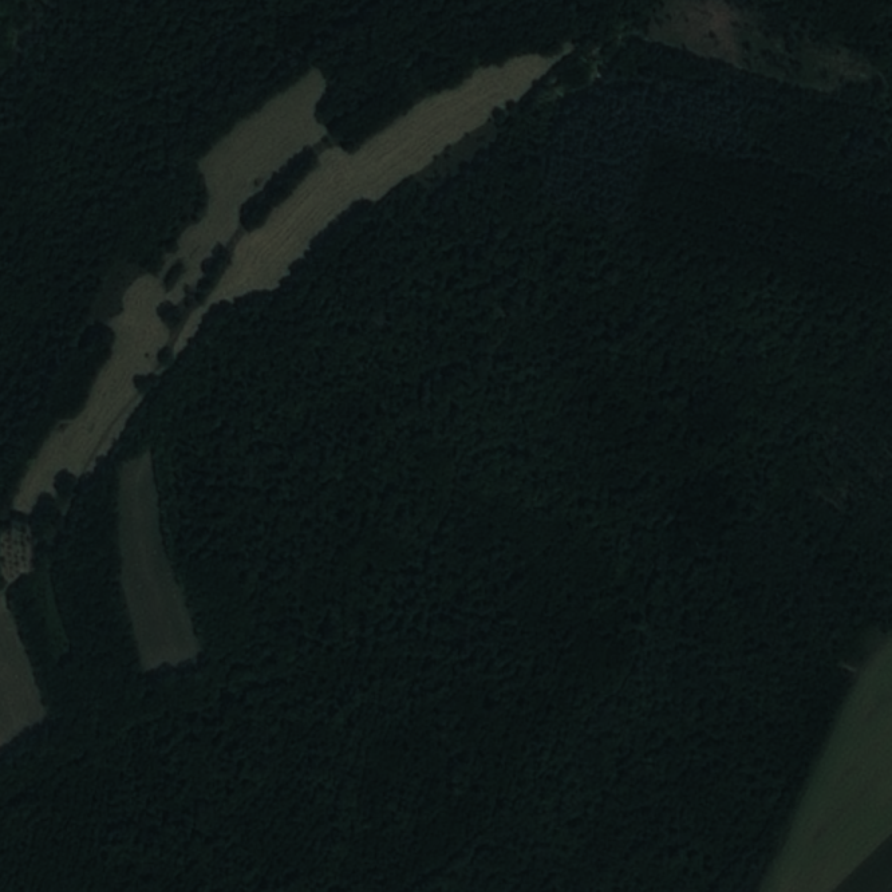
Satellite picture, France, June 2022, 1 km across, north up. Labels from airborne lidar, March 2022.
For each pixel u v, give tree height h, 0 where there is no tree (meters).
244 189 0
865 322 18
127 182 14
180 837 20
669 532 18
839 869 0
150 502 0
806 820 0
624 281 6
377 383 6
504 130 8
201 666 12
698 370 14
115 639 17
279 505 17
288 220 0
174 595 0
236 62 18
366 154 0
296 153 0
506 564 20
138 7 14
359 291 16
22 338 11
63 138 6
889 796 0
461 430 17
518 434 14
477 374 17
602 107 25
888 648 0
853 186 15
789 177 17
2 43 31
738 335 15
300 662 17
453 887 14
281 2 18
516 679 20
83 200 10
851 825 0
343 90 20
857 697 0
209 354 13
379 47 18
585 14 22
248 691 18
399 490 18
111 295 0
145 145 14
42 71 19
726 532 17
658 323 17
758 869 14
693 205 17
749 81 17
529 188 19
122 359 0
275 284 0
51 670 16
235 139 0
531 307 22
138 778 20
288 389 17
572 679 7
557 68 8
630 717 6
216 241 0
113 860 13
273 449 19
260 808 8
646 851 19
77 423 0
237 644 16
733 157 12
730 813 9
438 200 19
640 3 9
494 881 14
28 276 13
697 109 26
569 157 25
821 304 17
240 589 19
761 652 15
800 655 15
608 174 27
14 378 14
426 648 23
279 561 19
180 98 19
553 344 6
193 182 16
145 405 6
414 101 10
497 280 22
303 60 15
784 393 12
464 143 0
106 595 15
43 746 22
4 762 22
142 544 0
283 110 0
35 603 13
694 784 17
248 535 7
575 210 14
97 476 11
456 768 19
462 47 21
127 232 19
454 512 7
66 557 12
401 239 19
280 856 7
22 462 20
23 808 20
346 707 16
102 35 14
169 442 18
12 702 0
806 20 10
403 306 18
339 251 16
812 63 0
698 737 15
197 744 23
